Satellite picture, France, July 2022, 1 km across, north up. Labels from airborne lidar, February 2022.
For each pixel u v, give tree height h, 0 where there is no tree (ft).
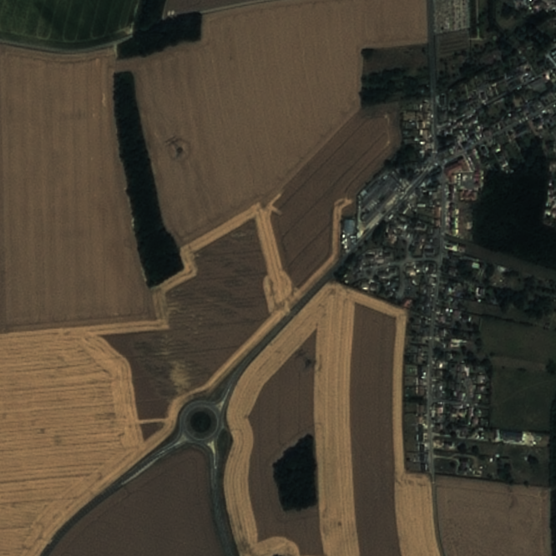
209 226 0
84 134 0
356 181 0
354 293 0
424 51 36
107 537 0
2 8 0
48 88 0
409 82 31
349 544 0
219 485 0
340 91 0
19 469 0
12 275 0
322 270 0
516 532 0
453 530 0
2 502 0
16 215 0
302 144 0
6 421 0
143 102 0
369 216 0
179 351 0
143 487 0
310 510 0
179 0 0
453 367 24
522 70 0
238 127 0
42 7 0
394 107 0
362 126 0
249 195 0
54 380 0
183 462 0
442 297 24
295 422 0
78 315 0
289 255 0
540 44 57
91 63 0
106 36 0
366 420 0
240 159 0
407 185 0
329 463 0
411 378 0
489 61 0
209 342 0
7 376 0
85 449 0
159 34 63
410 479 0
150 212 48
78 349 0
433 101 0
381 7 0
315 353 0
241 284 0
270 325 0
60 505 0
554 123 0
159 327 0
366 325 0
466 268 24
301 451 56
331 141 0
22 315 0
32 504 0
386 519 0
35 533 0
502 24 0
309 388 0
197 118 0
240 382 0
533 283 19
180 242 0
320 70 0
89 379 0
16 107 0
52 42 0
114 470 0
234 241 0
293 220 0
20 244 0
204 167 0
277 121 0
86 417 0
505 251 21
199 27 26
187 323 0
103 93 0
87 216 0
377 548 0
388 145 0
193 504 0
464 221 0
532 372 0
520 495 0
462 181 0
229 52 0
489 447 0
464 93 18
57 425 0
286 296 0
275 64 0
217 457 0
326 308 0
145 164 42
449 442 0
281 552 0
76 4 0
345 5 0
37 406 0
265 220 0
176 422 0
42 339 0
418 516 0
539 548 0
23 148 0
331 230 0
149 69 0
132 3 0
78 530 0
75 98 0
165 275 36
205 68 0
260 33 0
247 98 0
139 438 0
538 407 0
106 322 0
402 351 0
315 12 0
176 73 0
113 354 0
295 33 0
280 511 0
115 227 0
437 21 0
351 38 0
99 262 0
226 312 0
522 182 19
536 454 0
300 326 0
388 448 0
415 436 0
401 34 0
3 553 0
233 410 0
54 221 0
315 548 0
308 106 0
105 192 0
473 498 0
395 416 0
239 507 0
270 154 0
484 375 20
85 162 0
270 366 0
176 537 0
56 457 0
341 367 0
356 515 0
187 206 0
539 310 21
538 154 40
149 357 0
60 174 0
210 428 0
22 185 0
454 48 0
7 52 0
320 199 0
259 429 0
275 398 0
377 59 0
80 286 0
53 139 0
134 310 0
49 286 0
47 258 0
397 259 23
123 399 0
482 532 0
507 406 0
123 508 0
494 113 0
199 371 0
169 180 0
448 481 0
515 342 0
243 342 0
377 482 0
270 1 0
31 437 0
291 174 0
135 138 55
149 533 0
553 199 0
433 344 0
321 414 0
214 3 0
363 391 0
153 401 0
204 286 0
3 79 0
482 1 0
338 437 0
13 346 0
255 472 0
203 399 0
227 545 0
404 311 0
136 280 0
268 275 0
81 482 0
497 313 0
